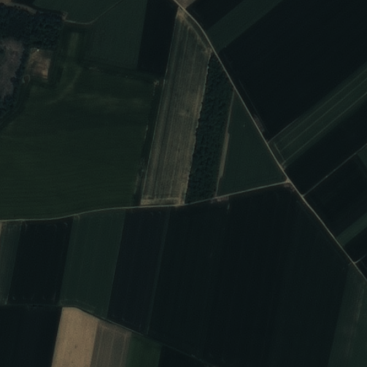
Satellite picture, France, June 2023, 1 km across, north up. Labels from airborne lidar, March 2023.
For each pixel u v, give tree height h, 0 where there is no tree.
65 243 0
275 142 0
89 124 0
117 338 0
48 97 0
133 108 0
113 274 0
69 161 0
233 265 0
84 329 0
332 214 0
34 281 0
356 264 0
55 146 0
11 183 0
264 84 0
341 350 0
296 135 0
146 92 0
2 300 0
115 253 0
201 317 0
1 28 14
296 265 0
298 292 0
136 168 0
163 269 0
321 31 0
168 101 0
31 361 0
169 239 0
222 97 11
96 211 0
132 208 0
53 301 0
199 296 0
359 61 0
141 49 0
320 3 0
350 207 0
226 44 0
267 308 0
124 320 0
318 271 0
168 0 0
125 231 0
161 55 0
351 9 0
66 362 0
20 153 0
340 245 0
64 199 0
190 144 0
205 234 0
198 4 0
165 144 0
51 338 0
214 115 11
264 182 0
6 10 15
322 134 0
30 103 0
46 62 0
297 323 0
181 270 0
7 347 0
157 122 0
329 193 0
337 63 0
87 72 0
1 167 0
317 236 0
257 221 0
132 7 0
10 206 0
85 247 0
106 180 0
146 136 0
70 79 0
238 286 0
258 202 0
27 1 0
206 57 0
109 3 0
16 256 0
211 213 0
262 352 0
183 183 0
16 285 0
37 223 0
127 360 0
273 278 0
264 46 0
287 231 0
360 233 0
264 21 0
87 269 0
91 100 0
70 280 0
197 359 0
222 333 0
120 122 0
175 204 0
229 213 0
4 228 0
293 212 0
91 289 0
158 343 0
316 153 0
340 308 0
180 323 0
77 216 0
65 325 0
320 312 0
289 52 0
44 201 0
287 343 0
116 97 0
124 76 0
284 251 0
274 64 0
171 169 0
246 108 0
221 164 0
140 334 0
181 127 0
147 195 0
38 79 0
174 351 0
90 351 0
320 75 0
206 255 0
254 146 0
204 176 12
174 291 0
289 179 0
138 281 0
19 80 12
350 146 0
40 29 21
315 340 0
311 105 0
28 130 0
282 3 0
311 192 0
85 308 0
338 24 0
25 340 0
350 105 0
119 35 0
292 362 0
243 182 0
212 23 0
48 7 0
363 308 0
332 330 0
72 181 0
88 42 0
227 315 0
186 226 0
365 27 0
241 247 0
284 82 0
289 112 0
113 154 0
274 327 0
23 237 0
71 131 0
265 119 0
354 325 0
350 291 0
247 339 0
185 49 0
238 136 0
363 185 0
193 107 0
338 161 0
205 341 0
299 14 0
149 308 0
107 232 0
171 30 0
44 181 0
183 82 0
